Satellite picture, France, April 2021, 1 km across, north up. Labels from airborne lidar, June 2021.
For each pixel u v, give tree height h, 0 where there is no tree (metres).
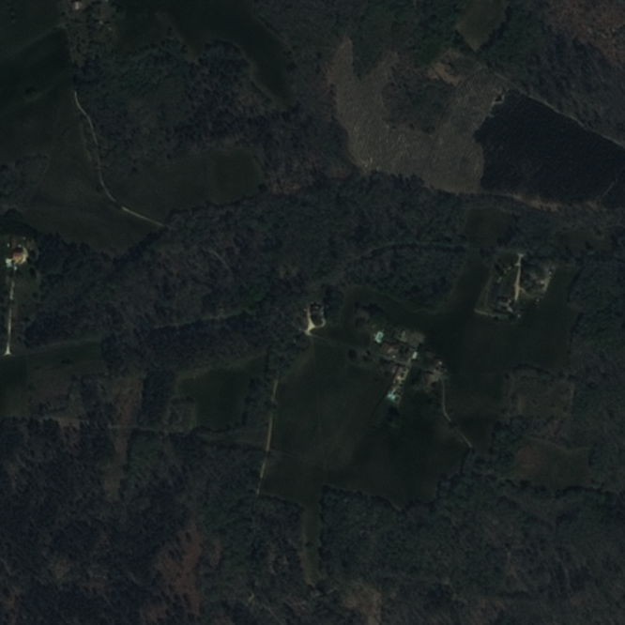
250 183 0
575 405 11
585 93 16
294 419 0
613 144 7
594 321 17
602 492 11
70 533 16
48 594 11
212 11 0
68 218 0
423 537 28
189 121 9
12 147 0
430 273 15
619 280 23
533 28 22
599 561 16
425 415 0
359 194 17
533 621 16
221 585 12
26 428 12
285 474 0
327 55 8
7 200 15
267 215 21
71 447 9
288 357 16
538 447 0
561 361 0
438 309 12
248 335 22
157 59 10
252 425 23
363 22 11
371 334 0
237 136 8
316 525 0
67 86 0
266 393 18
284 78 0
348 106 0
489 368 0
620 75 12
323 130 13
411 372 0
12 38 0
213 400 0
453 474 0
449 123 0
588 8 13
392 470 0
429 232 14
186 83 9
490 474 8
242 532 21
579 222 20
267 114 11
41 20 0
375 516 22
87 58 7
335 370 0
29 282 0
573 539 19
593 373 14
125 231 0
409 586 14
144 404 13
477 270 0
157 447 23
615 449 18
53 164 0
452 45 12
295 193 9
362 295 0
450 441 0
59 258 18
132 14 0
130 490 23
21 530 18
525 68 14
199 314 14
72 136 0
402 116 8
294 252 16
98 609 17
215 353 12
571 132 6
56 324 20
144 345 28
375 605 0
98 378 14
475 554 18
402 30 8
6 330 14
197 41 0
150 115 9
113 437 10
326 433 0
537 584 20
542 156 7
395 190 17
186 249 19
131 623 15
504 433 22
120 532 16
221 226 15
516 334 0
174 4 0
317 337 0
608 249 0
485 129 7
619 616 9
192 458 26
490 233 0
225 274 7
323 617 21
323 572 17
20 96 0
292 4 8
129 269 23
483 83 0
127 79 8
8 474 17
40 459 8
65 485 16
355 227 11
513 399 10
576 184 7
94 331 18
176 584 9
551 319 0
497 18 0
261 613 11
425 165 0
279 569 0
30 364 0
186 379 0
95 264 20
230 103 12
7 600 9
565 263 18
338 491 8
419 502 11
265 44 0
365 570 13
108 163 7
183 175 0
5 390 0
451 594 19
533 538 20
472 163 0
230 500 23
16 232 11
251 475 18
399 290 15
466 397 0
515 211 21
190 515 17
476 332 0
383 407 0
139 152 11
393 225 12
